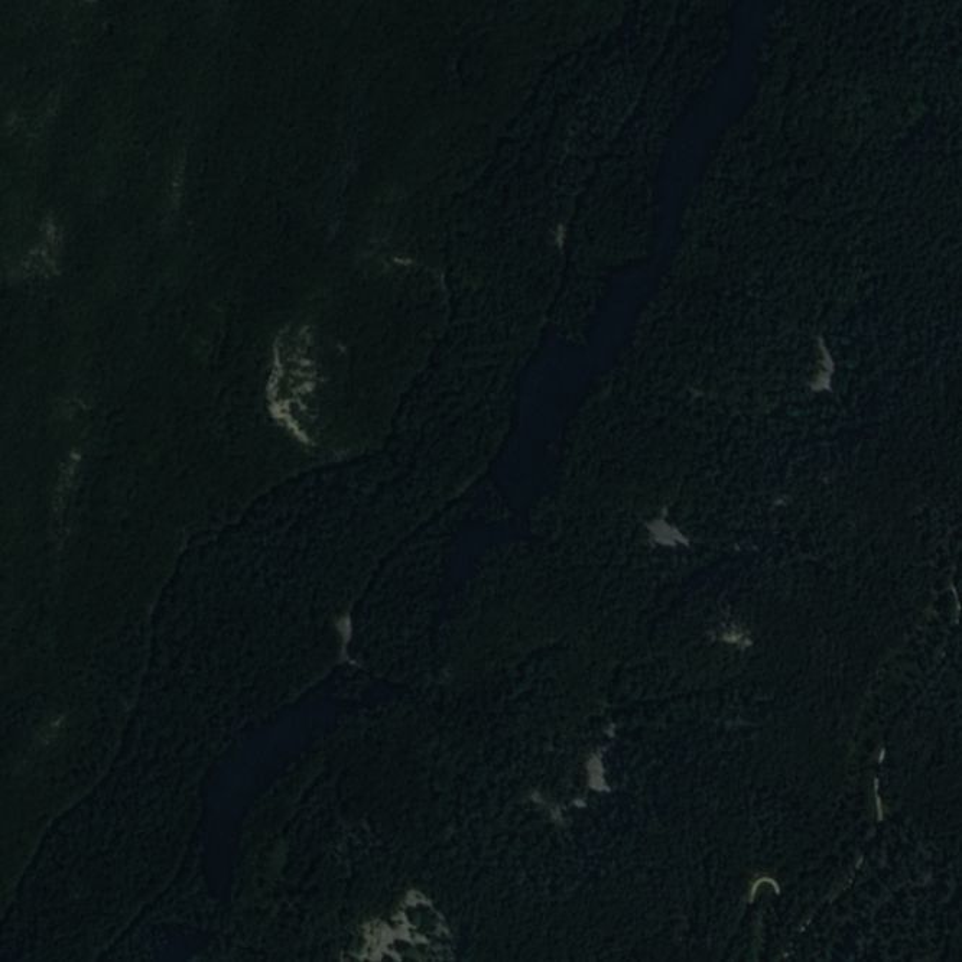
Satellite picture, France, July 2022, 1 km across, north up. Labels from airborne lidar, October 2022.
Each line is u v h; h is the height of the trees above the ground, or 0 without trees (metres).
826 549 28
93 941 22
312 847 21
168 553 20
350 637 0
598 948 22
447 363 28
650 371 30
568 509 16
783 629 17
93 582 22
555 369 27
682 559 27
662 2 28
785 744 17
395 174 20
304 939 23
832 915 16
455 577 29
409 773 30
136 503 26
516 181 31
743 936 16
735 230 34
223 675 24
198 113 12
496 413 27
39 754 7
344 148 23
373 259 10
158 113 18
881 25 33
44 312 19
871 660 25
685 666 17
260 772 30
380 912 14
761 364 11
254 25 26
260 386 17
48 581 13
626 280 31
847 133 23
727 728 9
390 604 29
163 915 19
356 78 18
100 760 16
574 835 8
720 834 21
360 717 27
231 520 20
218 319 28
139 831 26
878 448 14
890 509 13
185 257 15
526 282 25
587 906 13
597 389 29
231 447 23
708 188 27
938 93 22
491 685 28
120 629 23
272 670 25
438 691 22
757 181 19
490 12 27
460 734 34
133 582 24
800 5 32
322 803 15
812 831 18
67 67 12
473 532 24
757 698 21
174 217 7
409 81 24
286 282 19
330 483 27
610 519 17
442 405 29
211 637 23
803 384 15
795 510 13
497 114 27
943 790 21
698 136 29
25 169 9
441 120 24
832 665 18
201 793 24
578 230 25
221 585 24
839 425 19
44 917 28
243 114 24
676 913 14
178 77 19
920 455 17
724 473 24
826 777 19
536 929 21
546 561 24
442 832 19
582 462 17
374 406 24
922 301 22
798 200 22
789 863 15
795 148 27
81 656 22
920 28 30
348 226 20
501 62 27
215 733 27
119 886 22
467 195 28
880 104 23
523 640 16
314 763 25
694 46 26
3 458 15
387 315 20
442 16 29
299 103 27
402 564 23
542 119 34
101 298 16
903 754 20
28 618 13
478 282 27
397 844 26
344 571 17
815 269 25
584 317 26
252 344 23
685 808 21
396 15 24
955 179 22
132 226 15
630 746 17
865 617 19
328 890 27
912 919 27
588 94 28
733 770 25
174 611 26
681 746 19
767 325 23
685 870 23
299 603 21
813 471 15
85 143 13
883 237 19
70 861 28
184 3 23
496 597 21
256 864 11
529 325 30
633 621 17
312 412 6
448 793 22
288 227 31
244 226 27
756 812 20
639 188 31
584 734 19
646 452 26
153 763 25
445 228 23
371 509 23
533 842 15
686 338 26
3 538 11
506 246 26
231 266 32
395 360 23
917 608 24
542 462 31
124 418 19
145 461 23
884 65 29
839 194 23
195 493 24
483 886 19
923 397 17
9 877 17
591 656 20
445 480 25
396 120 23
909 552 14
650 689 22
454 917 13
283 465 24
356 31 22
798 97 32
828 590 26
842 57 29
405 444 33
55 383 14
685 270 27
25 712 33
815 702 17
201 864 27
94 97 19
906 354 16
